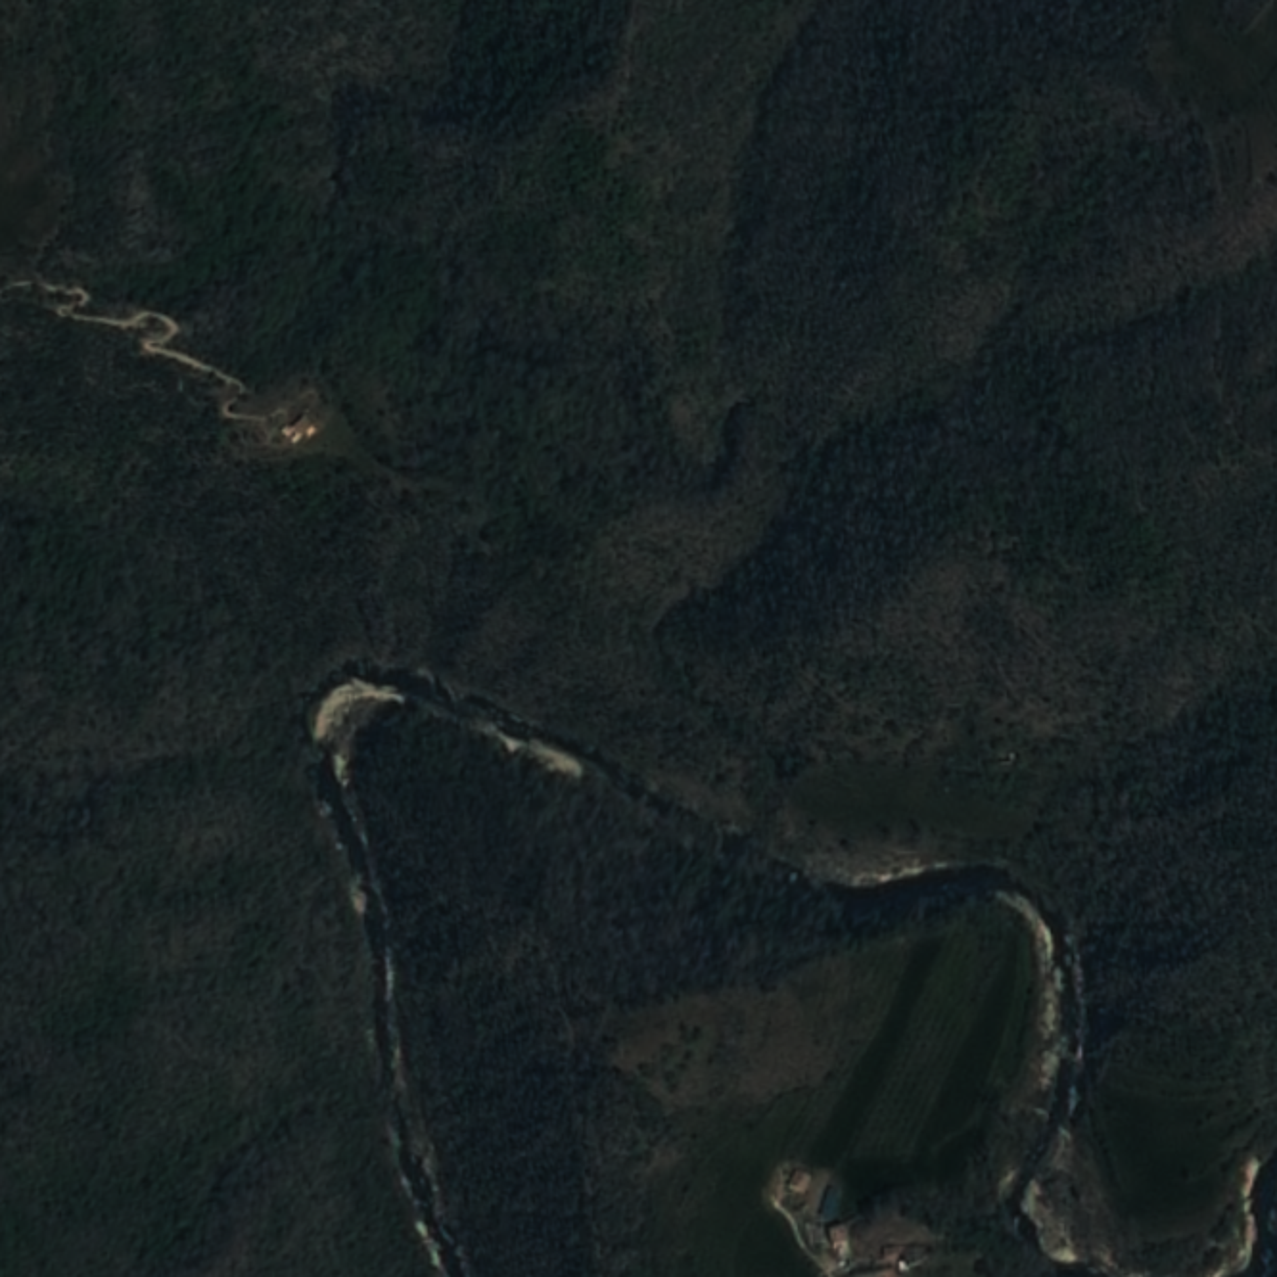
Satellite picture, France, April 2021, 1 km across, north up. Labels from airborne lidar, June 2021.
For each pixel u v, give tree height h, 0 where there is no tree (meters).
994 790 12
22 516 8
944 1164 0
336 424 0
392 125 6
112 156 6
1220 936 11
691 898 10
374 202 10
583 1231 7
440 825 8
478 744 11
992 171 6
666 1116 6
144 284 9
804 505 6
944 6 13
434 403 8
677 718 7
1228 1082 7
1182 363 11
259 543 7
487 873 9
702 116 10
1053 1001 0
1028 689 11
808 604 8
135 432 9
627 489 10
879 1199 11
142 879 13
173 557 16
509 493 12
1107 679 10
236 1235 9
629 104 7
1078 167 18
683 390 7
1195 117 6
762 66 9
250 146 11
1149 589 12
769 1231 0
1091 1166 0
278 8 6
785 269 10
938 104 10
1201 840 7
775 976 6
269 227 10
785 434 13
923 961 0
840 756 11
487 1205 7
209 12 6
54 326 8
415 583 7
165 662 16
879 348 6
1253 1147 6
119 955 9
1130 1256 10
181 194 9
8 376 7
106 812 9
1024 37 13
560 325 10
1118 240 12
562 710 6
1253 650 8
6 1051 9
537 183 9
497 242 15
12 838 13
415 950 14
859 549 12
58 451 7
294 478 8
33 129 0
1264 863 7
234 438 6
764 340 10
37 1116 7
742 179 15
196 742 13
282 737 8
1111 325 13
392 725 9
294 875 9
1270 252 7
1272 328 7
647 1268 8
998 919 8
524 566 6
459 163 7
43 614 14
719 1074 0
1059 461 12
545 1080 12
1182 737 11
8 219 0
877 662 7
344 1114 10
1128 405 10
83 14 7
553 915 12
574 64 7
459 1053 18
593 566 8
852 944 9
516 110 8
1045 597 7
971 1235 9
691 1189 6
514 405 7
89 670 14
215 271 13
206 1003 7
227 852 13
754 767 8
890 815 0
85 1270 9
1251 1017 7
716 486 9
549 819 14
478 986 8
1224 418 10
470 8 11
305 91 6
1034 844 10
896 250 6
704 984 10
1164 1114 0
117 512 9
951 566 7
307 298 8
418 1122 13
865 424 9
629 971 9
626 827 13
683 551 9
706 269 9
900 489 11
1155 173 6
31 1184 8
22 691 12
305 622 12
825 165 12
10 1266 8
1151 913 13
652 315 6
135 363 9
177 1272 15
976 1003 5
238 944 12
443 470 6
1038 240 14
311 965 21
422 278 6
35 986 8
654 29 10
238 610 11
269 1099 6
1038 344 14
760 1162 0
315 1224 15
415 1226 10
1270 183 9
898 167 11
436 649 7
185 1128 7
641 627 11
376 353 10
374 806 10
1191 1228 0
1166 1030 13
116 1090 6
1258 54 0
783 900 9
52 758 12
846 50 6
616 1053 7
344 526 13
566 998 7
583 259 9
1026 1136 31
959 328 5
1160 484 6
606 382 9
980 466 11
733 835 0
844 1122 0
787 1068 0
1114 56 8
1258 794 8
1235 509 6
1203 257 8
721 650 8
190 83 8
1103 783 11
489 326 15
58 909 9
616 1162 7
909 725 10
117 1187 8
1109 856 10
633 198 7
